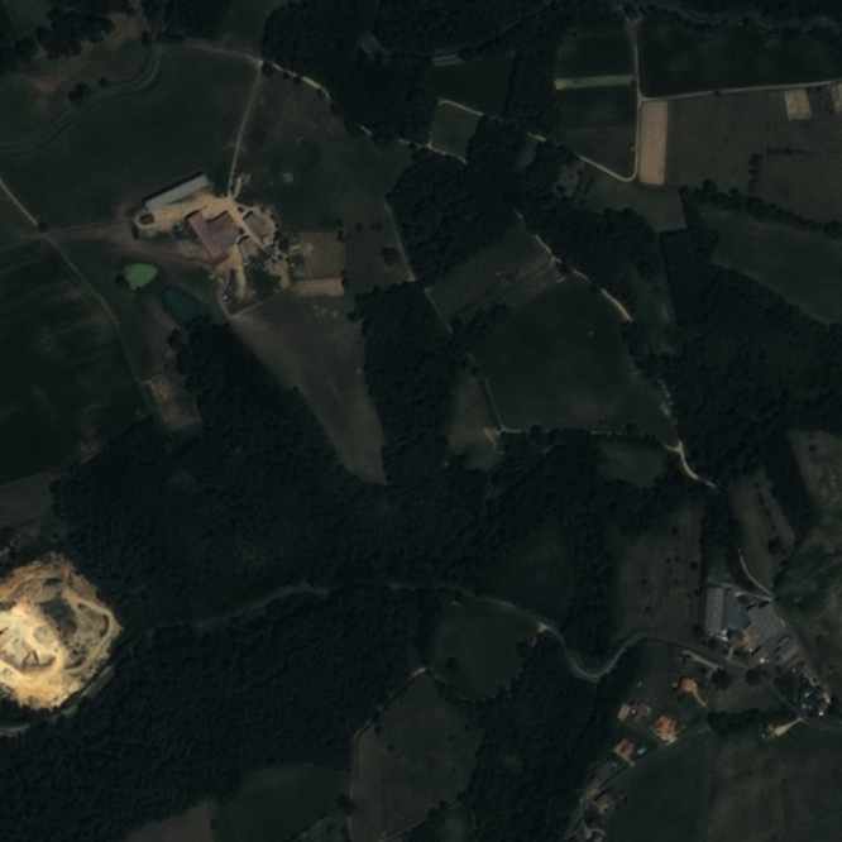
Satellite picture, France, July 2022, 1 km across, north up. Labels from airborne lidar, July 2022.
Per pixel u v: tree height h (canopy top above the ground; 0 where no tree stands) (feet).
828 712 29
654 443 34
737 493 0
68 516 25
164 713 60
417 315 52
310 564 36
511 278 26
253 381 35
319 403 0
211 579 49
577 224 61
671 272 47
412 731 0
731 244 0
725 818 0
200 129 0
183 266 0
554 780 81
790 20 26
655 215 0
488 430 0
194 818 0
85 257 0
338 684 53
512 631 0
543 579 0
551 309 0
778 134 0
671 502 86
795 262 0
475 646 0
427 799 0
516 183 65
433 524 36
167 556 50
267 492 35
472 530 54
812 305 0
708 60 0
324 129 0
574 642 65
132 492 28
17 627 0
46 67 0
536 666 41
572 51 0
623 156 0
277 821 0
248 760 40
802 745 0
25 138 0
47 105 0
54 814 72
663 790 0
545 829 60
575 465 74
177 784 72
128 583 71
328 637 60
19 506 0
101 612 0
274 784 0
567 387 0
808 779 0
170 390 0
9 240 0
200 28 49
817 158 0
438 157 49
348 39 74
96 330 0
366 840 0
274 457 68
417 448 88
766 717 24
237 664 22
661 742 0
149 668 88
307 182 0
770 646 0
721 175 0
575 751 51
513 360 0
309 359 0
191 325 32
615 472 0
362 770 0
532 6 77
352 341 0
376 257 0
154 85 0
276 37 37
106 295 0
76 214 0
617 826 0
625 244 77
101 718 63
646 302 0
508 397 0
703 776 0
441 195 74
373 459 0
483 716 34
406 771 0
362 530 55
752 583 39
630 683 29
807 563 0
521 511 86
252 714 69
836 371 36
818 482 0
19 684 0
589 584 23
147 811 47
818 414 66
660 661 0
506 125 37
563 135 0
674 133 0
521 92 60
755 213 57
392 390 56
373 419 0
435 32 94
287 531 44
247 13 0
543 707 19
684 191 46
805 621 0
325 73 41
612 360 0
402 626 102
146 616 43
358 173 0
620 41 0
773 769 0
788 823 0
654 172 0
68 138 0
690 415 45
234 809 0
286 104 0
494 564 21
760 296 58
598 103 0
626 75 0
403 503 43
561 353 0
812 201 0
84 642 0
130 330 0
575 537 22
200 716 68
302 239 0
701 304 46
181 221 0
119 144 0
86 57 0
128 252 0
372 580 69
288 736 66
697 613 0
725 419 55
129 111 0
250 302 0
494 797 41
